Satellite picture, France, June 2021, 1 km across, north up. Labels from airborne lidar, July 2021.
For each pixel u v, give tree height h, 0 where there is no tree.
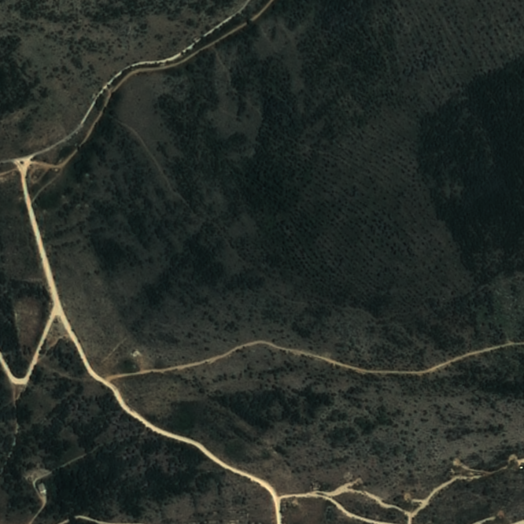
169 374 0
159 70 0
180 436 0
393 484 0
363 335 0
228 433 0
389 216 9
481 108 8
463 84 7
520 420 0
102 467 8
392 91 8
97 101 9
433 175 6
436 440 0
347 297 6
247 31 7
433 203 6
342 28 10
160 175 0
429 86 0
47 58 0
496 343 5
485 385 8
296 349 0
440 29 7
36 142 0
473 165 9
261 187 14
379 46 7
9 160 0
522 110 7
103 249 7
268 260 7
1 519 0
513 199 5
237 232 0
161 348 0
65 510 12
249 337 0
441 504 0
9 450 8
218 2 5
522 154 7
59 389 10
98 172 0
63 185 0
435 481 0
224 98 0
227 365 0
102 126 9
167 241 6
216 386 0
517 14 7
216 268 7
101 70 0
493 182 12
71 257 0
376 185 7
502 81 7
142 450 9
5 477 8
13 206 0
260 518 0
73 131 0
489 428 6
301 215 6
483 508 0
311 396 9
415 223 9
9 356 7
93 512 8
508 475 0
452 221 7
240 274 7
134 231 8
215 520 0
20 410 7
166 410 0
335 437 6
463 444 0
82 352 0
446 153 6
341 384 0
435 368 0
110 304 0
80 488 12
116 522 0
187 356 0
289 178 7
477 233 8
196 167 6
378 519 0
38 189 0
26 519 0
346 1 7
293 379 0
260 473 0
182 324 0
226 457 0
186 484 8
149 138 0
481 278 5
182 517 0
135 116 0
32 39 0
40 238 0
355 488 0
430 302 6
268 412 7
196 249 7
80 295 0
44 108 0
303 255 7
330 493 0
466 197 7
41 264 0
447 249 0
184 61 0
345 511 0
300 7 7
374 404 0
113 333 0
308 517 0
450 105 7
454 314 7
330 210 7
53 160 0
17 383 0
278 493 0
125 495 6
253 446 0
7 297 7
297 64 0
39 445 8
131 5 7
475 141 6
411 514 0
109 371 0
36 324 0
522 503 0
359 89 6
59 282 0
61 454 6
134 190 6
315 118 7
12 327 8
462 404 7
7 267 0
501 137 8
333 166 8
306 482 0
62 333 0
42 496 0
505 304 0
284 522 0
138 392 0
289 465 6
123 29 0
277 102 11
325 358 0
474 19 0
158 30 0
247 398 8
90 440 9
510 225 6
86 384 0
